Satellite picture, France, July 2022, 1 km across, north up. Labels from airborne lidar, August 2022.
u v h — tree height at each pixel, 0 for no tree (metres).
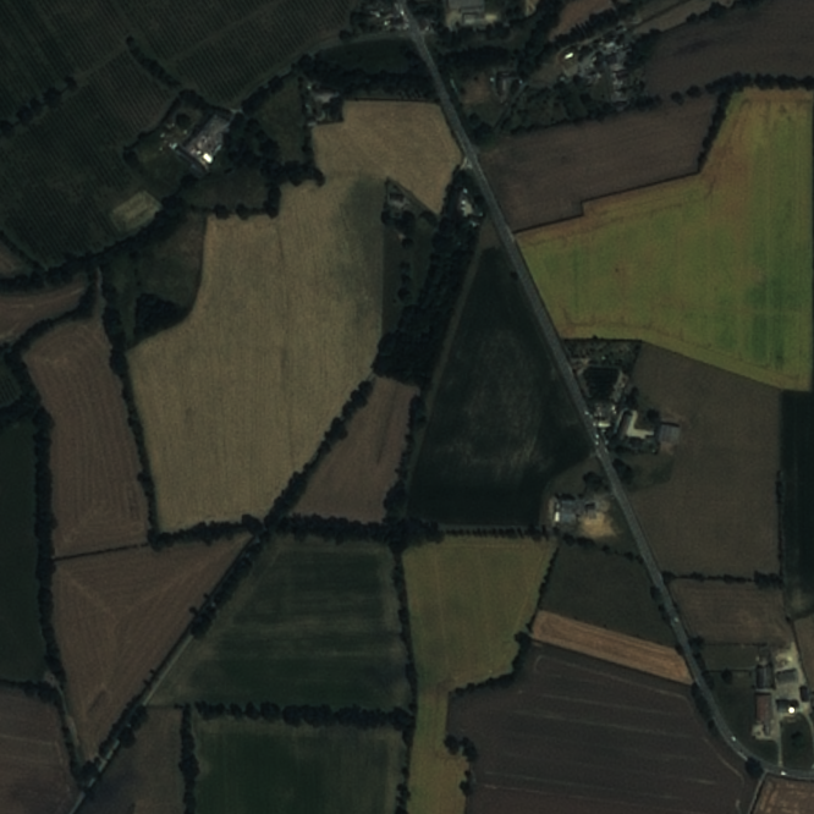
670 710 0
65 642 0
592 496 0
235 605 0
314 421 0
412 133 0
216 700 0
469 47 0
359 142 0
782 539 8
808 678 0
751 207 0
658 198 0
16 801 0
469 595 0
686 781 0
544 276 0
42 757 0
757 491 0
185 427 0
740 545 0
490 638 0
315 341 0
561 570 0
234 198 0
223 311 0
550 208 0
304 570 0
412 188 0
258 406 0
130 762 0
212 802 0
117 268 0
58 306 0
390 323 0
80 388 0
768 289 0
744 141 0
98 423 0
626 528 0
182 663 0
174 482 0
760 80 13
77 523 0
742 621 0
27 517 0
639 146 0
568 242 0
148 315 14
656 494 0
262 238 0
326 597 0
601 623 0
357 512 0
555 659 0
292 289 0
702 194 0
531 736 0
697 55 0
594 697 0
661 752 0
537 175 0
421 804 0
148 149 0
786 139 0
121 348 15
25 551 0
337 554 0
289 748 0
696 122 0
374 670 0
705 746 0
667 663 0
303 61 9
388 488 0
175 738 0
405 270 13
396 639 0
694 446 0
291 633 0
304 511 0
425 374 13
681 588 0
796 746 7
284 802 0
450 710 0
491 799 0
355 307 0
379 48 0
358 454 0
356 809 0
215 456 0
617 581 0
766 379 0
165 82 10
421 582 0
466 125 8
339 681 0
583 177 0
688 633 8
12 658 0
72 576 0
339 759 0
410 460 14
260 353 0
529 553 0
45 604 19
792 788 0
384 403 0
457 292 17
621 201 0
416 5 14
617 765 0
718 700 0
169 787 0
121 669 0
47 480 19
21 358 14
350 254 0
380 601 0
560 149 0
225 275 0
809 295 0
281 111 0
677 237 0
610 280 0
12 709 0
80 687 0
